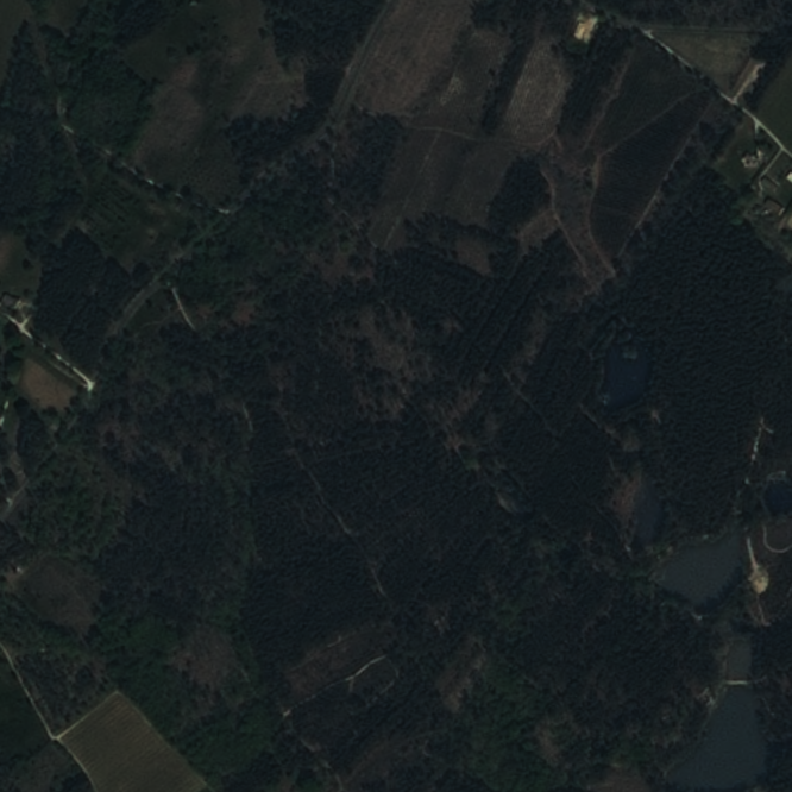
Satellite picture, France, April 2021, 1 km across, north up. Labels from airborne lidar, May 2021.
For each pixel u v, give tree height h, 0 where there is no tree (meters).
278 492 22
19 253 0
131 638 19
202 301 13
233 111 0
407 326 15
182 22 0
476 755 10
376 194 16
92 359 20
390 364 11
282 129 11
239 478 16
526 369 10
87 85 15
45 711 6
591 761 16
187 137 0
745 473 19
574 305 12
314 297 10
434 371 7
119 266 18
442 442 19
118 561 19
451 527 16
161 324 0
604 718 13
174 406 9
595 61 7
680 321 22
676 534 23
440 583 20
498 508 18
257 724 15
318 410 10
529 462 20
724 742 0
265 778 14
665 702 15
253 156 14
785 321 17
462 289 21
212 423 23
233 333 7
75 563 9
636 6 25
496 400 13
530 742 14
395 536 9
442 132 0
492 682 17
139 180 16
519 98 0
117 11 12
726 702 0
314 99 9
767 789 19
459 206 0
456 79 0
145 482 17
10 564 16
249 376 23
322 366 11
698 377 15
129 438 7
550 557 10
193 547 29
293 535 21
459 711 17
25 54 23
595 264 7
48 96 21
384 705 13
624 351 7
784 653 17
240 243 12
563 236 13
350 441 18
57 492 13
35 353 0
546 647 13
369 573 15
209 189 0
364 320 8
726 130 16
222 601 21
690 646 14
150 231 0
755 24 13
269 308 16
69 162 17
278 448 17
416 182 0
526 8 7
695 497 19
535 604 18
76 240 16
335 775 13
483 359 14
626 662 15
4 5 0
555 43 0
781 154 0
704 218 17
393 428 17
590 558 17
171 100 0
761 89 14
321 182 13
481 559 17
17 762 7
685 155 0
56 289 20
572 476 13
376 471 18
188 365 15
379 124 14
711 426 20
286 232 13
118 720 0
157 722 12
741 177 0
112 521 17
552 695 21
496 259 10
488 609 17
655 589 15
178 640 15
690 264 20
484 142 0
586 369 19
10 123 25
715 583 0
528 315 13
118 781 0
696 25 13
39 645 15
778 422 18
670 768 21
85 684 11
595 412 14
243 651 14
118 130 16
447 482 21
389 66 0
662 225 16
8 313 12
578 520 13
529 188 13
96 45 8
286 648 17
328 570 20
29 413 13
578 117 10
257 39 0
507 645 13
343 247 8
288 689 22
